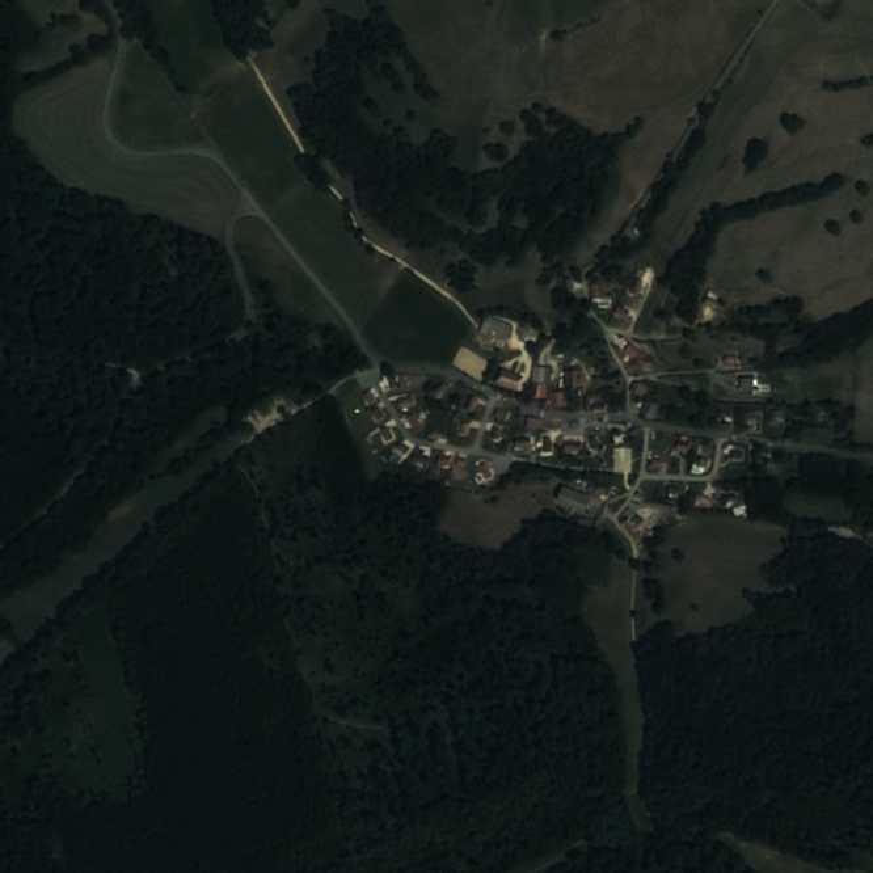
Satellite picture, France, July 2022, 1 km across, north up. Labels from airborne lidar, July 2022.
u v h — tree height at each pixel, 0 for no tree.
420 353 0
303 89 15
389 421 0
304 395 7
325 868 7
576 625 20
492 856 25
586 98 0
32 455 18
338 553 14
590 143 13
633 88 0
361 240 5
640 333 0
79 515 15
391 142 13
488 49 0
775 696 17
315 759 7
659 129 0
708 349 0
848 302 0
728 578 0
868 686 12
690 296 15
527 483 0
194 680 8
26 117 0
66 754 0
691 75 0
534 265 0
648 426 0
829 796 14
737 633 14
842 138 0
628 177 0
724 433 0
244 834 9
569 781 22
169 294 22
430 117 0
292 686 6
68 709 22
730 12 0
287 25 0
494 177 14
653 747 18
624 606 0
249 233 0
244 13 21
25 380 29
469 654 12
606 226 0
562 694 20
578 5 0
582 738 26
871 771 24
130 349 25
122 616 9
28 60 0
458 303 0
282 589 23
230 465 10
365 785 25
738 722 22
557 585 22
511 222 6
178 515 20
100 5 15
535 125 14
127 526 0
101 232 9
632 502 0
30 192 32
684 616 0
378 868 17
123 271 21
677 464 0
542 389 0
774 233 0
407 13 0
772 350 11
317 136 14
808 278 0
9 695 18
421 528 22
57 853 22
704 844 24
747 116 0
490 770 26
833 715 10
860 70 0
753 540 0
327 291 0
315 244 0
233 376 25
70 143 0
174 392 27
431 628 25
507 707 23
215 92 0
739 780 20
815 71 0
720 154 0
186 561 8
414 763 33
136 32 17
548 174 22
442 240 14
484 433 0
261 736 7
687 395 17
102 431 32
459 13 0
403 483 14
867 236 0
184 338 23
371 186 19
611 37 0
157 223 21
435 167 21
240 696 7
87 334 24
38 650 21
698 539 0
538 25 0
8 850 14
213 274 27
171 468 9
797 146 0
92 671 0
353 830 6
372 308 0
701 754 27
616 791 22
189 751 11
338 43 22
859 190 14
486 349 0
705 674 15
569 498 0
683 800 16
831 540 21
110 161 0
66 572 0
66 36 0
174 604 8
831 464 13
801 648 16
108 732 0
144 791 14
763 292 0
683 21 0
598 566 0
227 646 6
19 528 23
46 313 31
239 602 7
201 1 0
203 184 0
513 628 15
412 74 8
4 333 29
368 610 26
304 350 24
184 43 0
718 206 12
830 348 19
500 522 0
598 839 29
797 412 6
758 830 17
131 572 21
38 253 30
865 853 29
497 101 0
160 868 10
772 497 18
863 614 10
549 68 0
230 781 11
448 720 0
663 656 22
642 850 23
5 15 21
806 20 0
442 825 19
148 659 19
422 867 22
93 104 0
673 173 15
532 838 19
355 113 13
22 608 0
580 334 15
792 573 21
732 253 0
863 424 0
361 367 8
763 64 0
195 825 12
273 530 7
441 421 0
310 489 26
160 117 0
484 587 31
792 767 27
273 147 0
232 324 24
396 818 24
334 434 6
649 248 0
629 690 0
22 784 0
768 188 0
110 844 12
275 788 15
